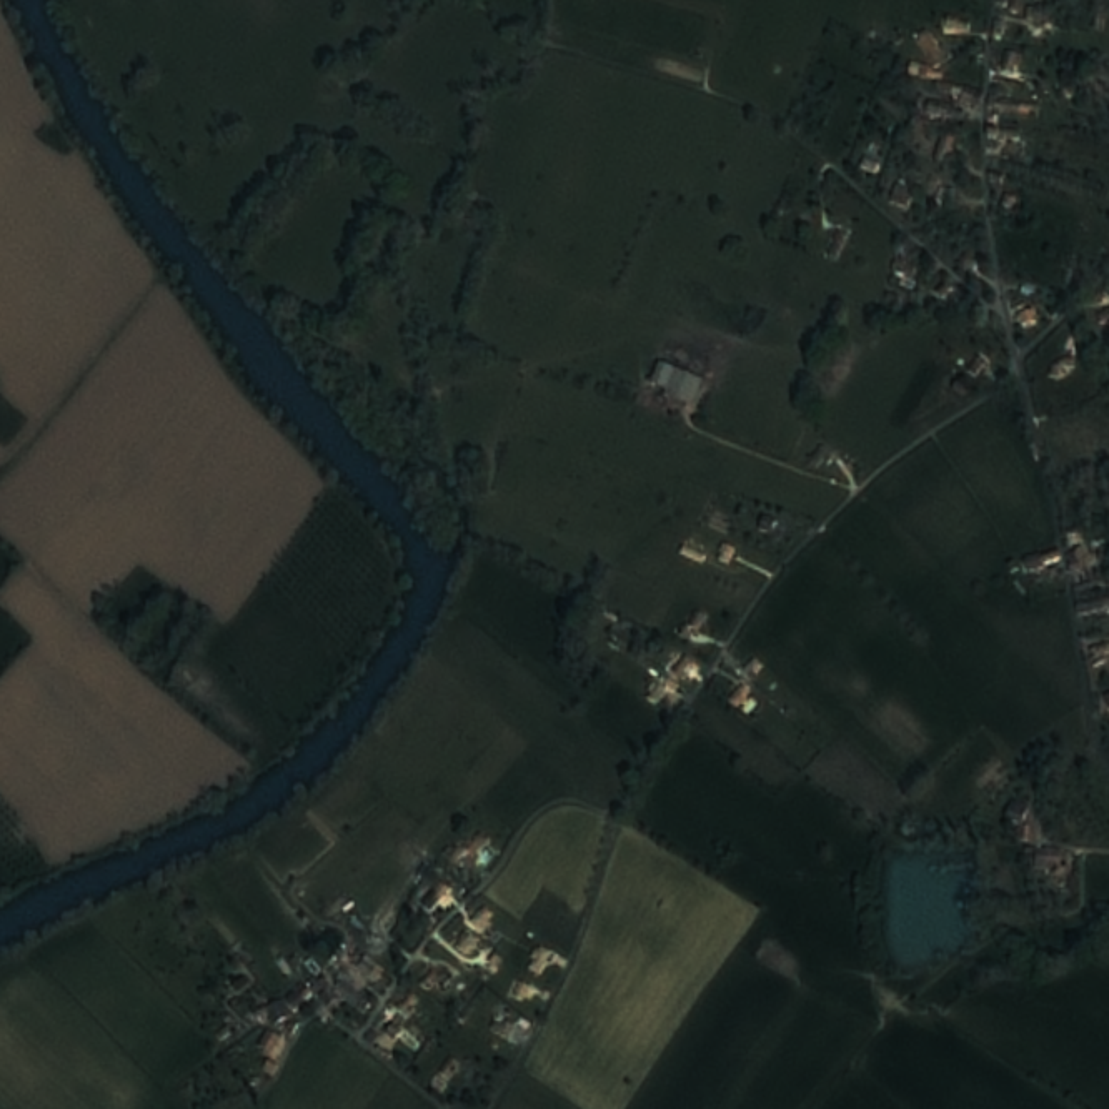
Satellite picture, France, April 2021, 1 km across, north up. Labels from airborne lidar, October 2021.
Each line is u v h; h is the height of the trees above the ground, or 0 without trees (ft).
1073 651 0
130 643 62
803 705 0
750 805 0
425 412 61
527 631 0
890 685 0
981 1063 0
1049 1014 0
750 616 0
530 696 0
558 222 0
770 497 0
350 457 0
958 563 0
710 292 0
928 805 0
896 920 0
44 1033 0
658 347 0
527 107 0
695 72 0
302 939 0
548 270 0
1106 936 73
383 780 0
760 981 0
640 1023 0
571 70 0
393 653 0
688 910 0
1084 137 22
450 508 22
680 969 0
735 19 0
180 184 0
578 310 0
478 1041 0
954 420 0
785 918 0
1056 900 51
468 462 59
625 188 0
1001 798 22
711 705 0
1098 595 25
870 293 0
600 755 0
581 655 96
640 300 0
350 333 77
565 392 0
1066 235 0
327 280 0
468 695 0
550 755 0
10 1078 0
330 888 0
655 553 0
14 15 49
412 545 0
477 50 0
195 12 0
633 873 0
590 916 0
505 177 0
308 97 0
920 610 0
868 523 0
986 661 0
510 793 0
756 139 0
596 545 0
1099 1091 0
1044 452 29
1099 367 65
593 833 0
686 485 0
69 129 28
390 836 0
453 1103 28
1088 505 46
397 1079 0
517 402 0
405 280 93
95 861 0
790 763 0
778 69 0
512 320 0
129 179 0
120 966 0
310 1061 0
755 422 0
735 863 35
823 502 0
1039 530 0
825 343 62
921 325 60
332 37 0
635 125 0
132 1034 0
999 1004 0
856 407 0
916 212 26
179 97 0
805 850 0
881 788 0
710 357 0
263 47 0
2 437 0
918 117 51
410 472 44
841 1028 0
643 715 0
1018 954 82
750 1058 0
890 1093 0
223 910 0
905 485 0
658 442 0
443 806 0
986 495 0
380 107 73
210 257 40
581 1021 0
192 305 38
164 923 0
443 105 0
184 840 0
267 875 0
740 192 0
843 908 0
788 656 0
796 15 0
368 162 87
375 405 44
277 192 67
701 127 0
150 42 0
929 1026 0
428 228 46
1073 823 23
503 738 0
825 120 20
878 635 0
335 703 47
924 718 0
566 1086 0
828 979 0
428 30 0
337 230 0
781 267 0
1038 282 28
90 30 0
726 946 0
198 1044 0
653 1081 0
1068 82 32
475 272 50
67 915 33
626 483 0
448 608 37
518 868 0
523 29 60
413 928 36
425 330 67
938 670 0
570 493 0
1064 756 68
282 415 55
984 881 52
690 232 0
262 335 0
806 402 68
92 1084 0
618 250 0
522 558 59
